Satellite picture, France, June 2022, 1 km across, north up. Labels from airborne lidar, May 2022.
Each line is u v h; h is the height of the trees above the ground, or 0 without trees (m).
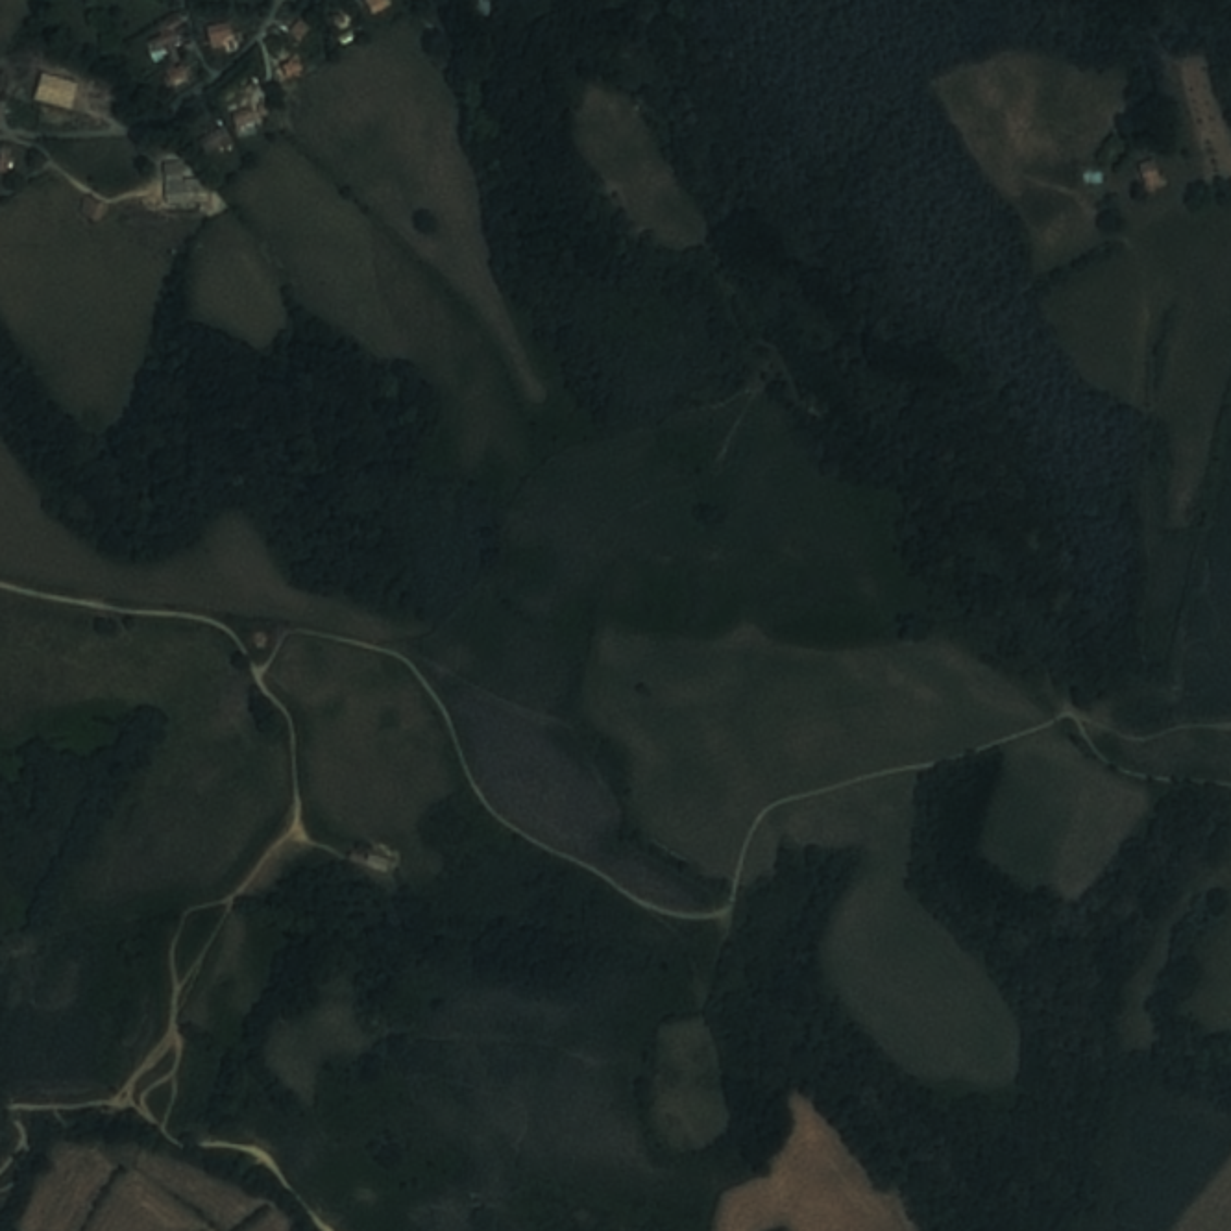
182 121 12
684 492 0
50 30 7
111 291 0
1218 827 9
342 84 0
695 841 0
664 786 0
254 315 0
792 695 0
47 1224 0
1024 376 10
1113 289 0
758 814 0
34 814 9
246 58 8
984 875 18
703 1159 6
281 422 30
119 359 0
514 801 0
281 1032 0
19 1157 9
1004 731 0
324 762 0
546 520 0
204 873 0
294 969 20
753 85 13
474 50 18
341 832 0
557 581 0
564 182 12
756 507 0
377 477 14
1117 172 9
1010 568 7
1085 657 12
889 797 0
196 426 18
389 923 19
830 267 10
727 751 0
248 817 0
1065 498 15
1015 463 17
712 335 9
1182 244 0
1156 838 14
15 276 0
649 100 7
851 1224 0
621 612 0
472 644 0
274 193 0
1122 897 14
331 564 6
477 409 0
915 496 12
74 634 0
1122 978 8
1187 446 0
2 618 0
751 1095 18
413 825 0
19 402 18
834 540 0
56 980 0
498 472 0
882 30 12
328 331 8
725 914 0
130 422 19
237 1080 23
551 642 0
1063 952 20
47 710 0
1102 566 11
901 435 8
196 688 0
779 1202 0
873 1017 0
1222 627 0
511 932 19
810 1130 0
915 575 8
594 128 0
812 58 12
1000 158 0
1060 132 0
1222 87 12
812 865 9
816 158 13
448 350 0
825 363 11
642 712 0
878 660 0
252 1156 7
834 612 0
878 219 8
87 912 0
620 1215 0
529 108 16
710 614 0
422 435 16
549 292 14
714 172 19
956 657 0
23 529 0
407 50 0
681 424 0
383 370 15
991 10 18
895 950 0
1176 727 0
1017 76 0
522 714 0
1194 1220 0
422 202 0
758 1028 11
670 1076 0
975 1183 20
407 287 0
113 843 0
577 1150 0
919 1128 16
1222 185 11
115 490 21
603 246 19
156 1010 0
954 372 24
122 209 0
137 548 10
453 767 0
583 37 8
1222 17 10
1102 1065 12
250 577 0
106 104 0
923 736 0
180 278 13
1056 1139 15
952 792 11
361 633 0
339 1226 0
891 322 11
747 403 0
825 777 0
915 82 12
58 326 0
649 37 12
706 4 15
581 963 9
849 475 5
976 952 14
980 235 7
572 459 0
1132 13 21
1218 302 0
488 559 14
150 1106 0
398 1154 12
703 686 0
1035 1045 10
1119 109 0
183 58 18
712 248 7
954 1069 0
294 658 0
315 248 0
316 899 15
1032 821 0
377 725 0
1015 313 10
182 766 0
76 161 0
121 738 7
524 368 0
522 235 15
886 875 0
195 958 0
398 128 0
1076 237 0
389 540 11
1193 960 17
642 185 0
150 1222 0
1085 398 14
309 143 0
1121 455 14
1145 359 0
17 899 0
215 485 12
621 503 0
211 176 23
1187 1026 11
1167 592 0
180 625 0
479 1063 0
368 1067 14
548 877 9
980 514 17
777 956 10
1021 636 11
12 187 15
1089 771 0
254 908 19
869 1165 18
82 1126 8
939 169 8
